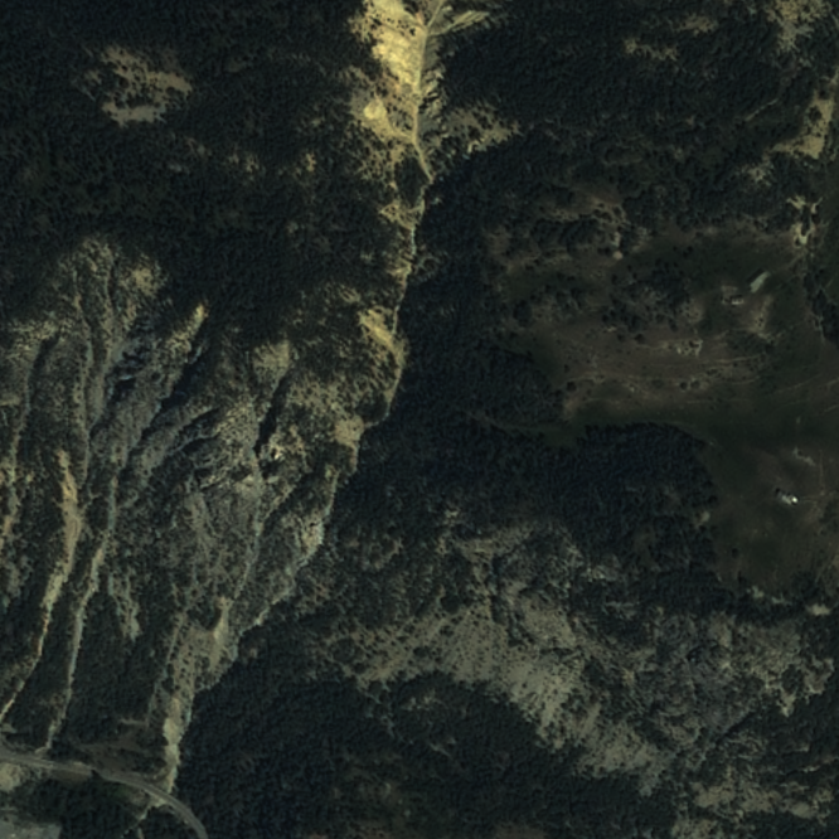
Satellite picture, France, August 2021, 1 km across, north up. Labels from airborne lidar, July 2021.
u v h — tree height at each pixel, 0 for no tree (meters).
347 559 10
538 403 9
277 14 12
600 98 14
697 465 12
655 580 12
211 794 15
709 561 13
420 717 6
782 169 15
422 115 0
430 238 9
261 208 13
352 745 14
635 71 12
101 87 9
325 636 9
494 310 10
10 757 0
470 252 10
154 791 0
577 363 0
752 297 0
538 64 8
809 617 9
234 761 17
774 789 6
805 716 11
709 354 0
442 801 7
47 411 7
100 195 19
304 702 8
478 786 8
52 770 0
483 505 12
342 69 9
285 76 10
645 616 6
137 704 12
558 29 7
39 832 0
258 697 11
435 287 9
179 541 6
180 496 7
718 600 7
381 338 0
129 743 0
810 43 13
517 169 14
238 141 11
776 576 0
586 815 14
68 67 10
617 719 8
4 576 9
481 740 10
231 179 7
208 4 12
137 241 10
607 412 0
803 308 0
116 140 14
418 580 7
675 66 8
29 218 17
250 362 7
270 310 11
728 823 8
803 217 6
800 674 9
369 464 11
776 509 0
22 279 10
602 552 7
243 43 12
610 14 7
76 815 16
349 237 15
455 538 8
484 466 14
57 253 11
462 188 12
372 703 12
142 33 10
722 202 13
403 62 0
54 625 5
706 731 10
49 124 10
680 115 9
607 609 7
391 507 6
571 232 14
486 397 12
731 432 0
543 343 0
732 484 0
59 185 12
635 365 0
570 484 11
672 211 8
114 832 12
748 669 10
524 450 8
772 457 0
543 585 6
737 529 0
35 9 10
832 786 7
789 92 10
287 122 12
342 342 6
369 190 9
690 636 10
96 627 8
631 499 9
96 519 9
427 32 0
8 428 9
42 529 9
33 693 9
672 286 8
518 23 6
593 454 12
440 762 13
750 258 0
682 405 0
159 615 7
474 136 9
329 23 13
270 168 8
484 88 11
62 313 7
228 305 16
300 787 11
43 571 7
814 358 0
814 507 0
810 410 0
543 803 9
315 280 11
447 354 16
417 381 13
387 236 7
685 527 15
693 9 10
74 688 8
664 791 6
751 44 8
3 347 7
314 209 9
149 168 13
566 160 15
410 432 9
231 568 7
